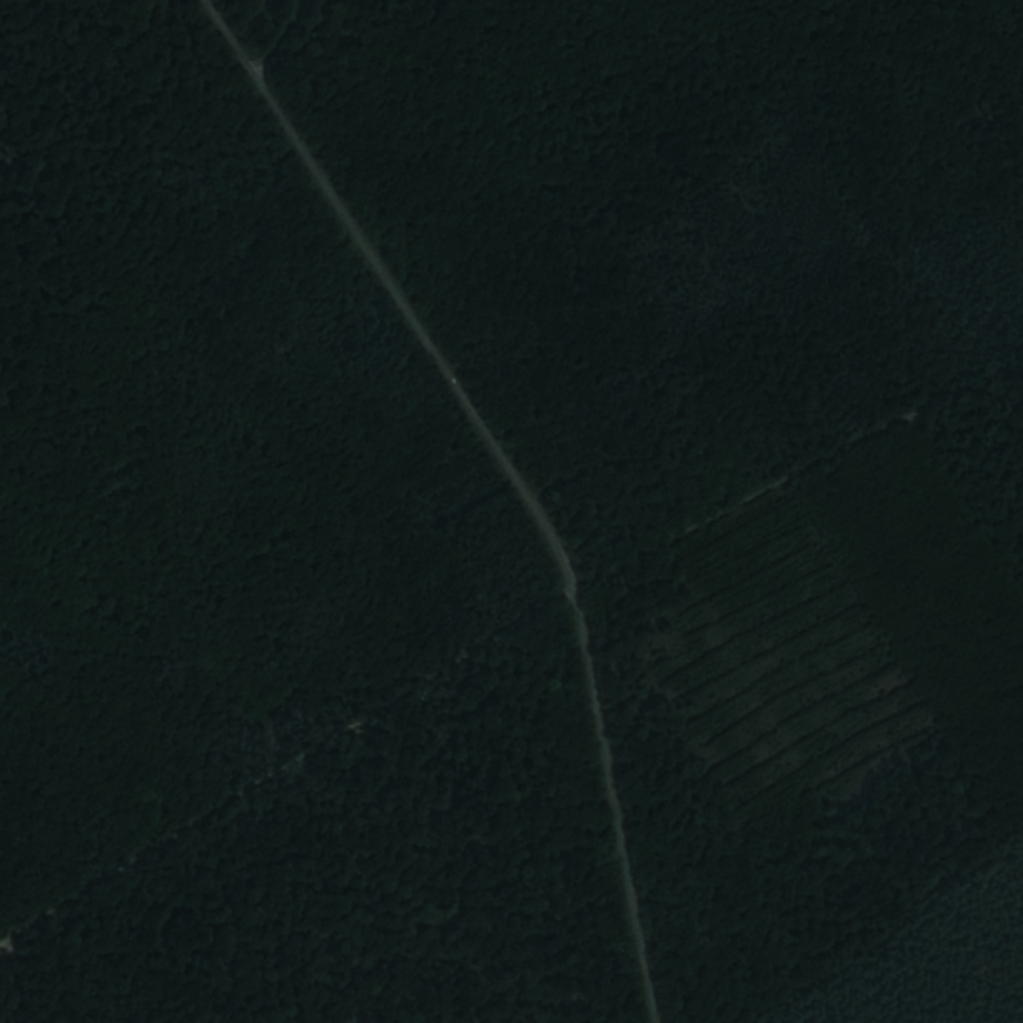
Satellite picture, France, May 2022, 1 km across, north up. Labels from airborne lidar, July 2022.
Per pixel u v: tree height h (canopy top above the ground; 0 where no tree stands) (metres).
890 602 14
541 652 27
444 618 25
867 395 22
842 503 15
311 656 19
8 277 25
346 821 27
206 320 26
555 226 27
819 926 24
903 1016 29
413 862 25
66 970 27
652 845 17
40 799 19
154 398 20
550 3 24
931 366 23
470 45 19
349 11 27
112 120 22
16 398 27
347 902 23
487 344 27
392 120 23
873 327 23
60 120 24
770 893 22
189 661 20
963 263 21
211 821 18
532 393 27
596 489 27
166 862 22
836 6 27
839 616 6
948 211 24
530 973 27
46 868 21
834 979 21
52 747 21
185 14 24
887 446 15
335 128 25
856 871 28
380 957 25
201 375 16
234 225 22
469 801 24
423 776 25
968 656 14
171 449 22
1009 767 14
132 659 19
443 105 23
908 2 25
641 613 29
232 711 26
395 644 25
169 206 24
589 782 23
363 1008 26
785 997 20
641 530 21
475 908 25
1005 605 12
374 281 13
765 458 20
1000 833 13
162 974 24
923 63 27
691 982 20
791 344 22
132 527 25
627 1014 26
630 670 24
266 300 18
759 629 6
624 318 26
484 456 10
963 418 24
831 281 29
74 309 26
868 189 27
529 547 12
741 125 26
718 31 14
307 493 23
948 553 13
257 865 28
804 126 25
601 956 24
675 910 19
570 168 25
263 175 23
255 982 25
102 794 24
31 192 10
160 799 21
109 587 22
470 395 21
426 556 24
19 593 22
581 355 26
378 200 24
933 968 24
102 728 30
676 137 28
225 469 21
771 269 24
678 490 24
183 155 24
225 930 28
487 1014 25
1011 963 25
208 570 16
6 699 24
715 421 17
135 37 16
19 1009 24
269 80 17
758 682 6
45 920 24
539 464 26
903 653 12
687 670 7
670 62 18
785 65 24
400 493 24
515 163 22
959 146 25
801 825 16
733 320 23
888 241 15
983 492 23
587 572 21
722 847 19
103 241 23
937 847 26
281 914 22
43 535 18
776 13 24
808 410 20
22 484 25
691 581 8
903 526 17
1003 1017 25
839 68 27
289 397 19
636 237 21
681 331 21
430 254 24
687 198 21
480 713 22
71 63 27
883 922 25
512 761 25
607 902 21
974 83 23
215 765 25
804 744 7
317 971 19
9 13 25
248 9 24
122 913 20
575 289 23
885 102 24
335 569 22
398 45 21
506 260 24
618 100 20
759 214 17
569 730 28
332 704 23
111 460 24
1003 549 22
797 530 7
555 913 28
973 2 27
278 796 23
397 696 22
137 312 19
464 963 23
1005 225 19
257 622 20
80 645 25
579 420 27
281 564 21
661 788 22
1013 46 22
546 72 25
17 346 27
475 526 15
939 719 11
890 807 25
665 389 24
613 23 24
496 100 17
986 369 21
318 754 25
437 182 25
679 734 6
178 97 26
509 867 24
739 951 20
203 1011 27
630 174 25
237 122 23
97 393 23
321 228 24
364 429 24
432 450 23
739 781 8
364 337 24
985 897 30
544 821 23
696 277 21
